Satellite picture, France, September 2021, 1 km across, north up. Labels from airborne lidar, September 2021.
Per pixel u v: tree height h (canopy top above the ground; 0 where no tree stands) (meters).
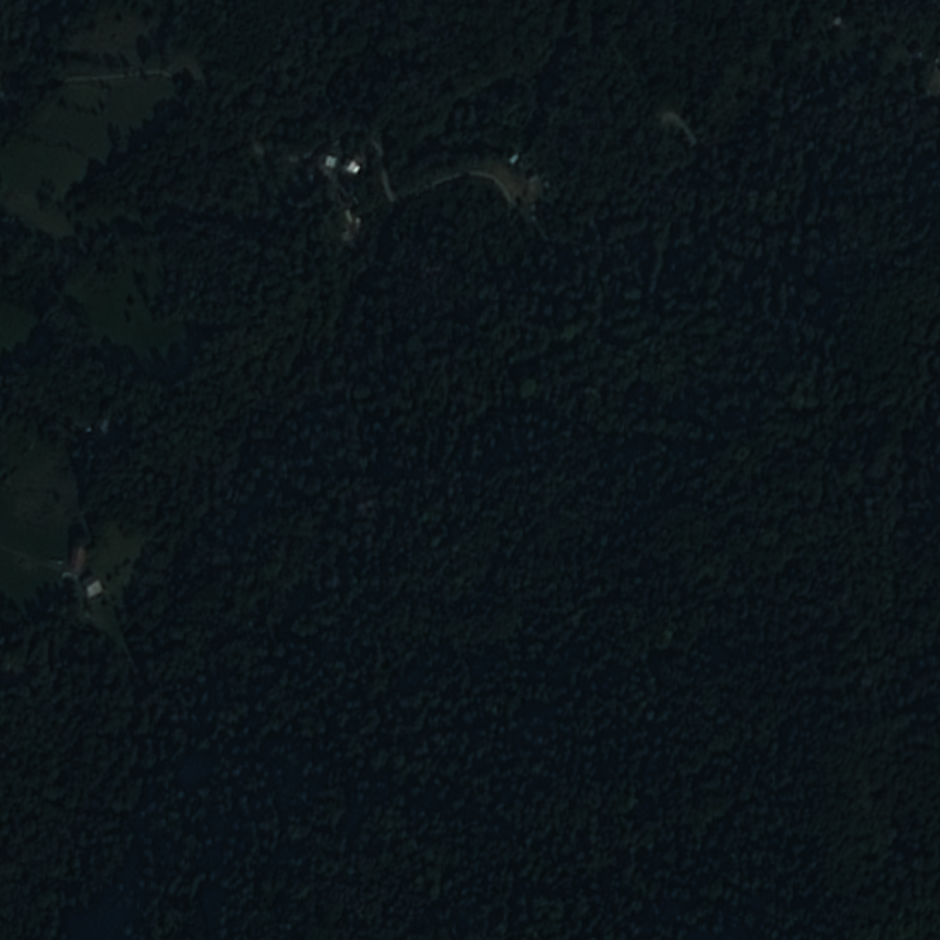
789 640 24
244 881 27
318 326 22
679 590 24
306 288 23
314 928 21
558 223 19
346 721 23
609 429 24
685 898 29
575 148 29
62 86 11
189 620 21
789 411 18
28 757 26
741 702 24
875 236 23
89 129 0
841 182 17
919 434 24
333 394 10
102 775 28
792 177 31
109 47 0
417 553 26
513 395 9
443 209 8
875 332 22
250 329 16
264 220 16
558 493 23
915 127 22
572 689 13
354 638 27
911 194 27
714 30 14
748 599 23
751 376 24
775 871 22
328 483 38
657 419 27
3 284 8
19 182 0
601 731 28
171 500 34
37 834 25
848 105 22
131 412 19
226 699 29
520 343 20
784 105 12
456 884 30
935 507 19
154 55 15
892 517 30
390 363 24
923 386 13
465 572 25
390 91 20
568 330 32
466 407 13
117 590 0
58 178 0
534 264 8
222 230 22
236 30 21
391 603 25
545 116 18
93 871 27
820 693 31
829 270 23
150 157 27
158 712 22
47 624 22
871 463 31
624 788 20
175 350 0
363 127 15
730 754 23
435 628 24
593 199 32
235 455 10
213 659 22
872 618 36
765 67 9
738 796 29
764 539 29
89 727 27
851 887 23
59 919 10
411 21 32
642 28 24
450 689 25
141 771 15
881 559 26
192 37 28
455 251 15
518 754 32
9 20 24
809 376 24
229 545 29
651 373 29
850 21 21
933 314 14
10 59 24
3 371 8
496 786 29
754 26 12
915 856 23
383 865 25
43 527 0
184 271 22
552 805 18
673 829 12
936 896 35
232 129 16
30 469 0
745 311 35
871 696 27
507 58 30
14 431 12
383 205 8
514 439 18
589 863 33
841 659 28
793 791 25
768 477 26
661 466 21
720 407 29
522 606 22
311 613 24
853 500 13
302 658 22
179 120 11
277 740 7
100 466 27
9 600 0
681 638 25
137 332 0
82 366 28
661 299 27
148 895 30
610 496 29
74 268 29
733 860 20
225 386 22
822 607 34
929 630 27
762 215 23
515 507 24
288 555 17
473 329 29
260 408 27
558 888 21
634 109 22
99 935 7
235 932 28
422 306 21
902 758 28
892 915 29
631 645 26
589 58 20
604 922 30
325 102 24
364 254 26
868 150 18
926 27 20
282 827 31
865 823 23
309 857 24
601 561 25
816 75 14
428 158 27
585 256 19
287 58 23
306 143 24
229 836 29
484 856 28
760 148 22
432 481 25
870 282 20
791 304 10
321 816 31
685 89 10
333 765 13
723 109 24
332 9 29
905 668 29
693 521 27
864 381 26
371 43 22
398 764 26
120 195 19
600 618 28
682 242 29
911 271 22
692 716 22
